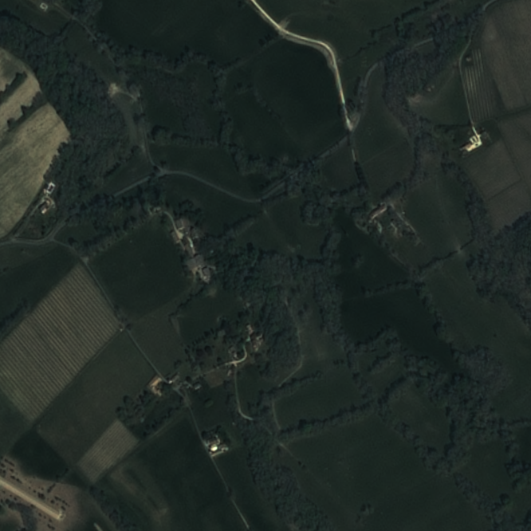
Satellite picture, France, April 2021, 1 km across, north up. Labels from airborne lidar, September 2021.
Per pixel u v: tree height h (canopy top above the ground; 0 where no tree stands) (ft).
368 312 0
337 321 62
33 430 0
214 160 0
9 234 0
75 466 0
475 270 67
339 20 0
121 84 0
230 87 0
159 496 0
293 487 65
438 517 0
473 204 64
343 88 0
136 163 0
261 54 0
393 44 0
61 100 73
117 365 0
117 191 0
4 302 0
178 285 0
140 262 0
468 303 0
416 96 53
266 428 57
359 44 0
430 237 0
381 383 0
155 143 30
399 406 0
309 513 69
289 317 94
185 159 0
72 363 0
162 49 0
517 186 0
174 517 0
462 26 55
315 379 46
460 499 0
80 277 0
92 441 0
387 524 0
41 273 0
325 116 0
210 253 49
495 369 59
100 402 0
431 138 52
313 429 55
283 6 0
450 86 0
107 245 60
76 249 58
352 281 0
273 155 0
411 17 48
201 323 0
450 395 47
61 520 0
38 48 85
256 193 0
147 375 0
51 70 91
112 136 60
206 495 0
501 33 0
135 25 0
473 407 47
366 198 64
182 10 0
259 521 0
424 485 0
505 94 0
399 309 0
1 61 0
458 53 54
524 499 0
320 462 0
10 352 0
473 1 0
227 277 36
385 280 0
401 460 0
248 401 0
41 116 0
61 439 0
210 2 0
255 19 0
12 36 91
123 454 0
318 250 0
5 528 0
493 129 0
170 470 0
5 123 0
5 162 0
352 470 0
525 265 56
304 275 74
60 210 40
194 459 0
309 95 0
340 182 0
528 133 0
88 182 82
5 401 0
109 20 0
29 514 53
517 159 0
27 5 0
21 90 0
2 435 0
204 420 0
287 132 0
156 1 0
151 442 0
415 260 0
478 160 0
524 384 0
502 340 0
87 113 94
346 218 0
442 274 0
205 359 0
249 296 73
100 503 43
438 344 0
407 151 0
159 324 0
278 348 69
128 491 0
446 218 0
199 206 0
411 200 0
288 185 33
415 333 0
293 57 0
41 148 0
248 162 31
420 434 0
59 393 0
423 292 75
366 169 0
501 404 0
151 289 0
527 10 0
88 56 0
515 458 28
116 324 0
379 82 0
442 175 0
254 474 49
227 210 0
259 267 64
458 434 81
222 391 0
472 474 0
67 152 71
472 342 0
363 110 48
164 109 0
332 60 0
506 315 0
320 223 62
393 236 0
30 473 0
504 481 0
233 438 0
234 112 0
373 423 0
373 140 0
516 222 0
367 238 0
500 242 60
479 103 0
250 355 30
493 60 0
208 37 0
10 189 0
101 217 43
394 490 0
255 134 0
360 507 0
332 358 0
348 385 0
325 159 25
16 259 0
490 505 58
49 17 0
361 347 39
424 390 86
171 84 29
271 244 0
